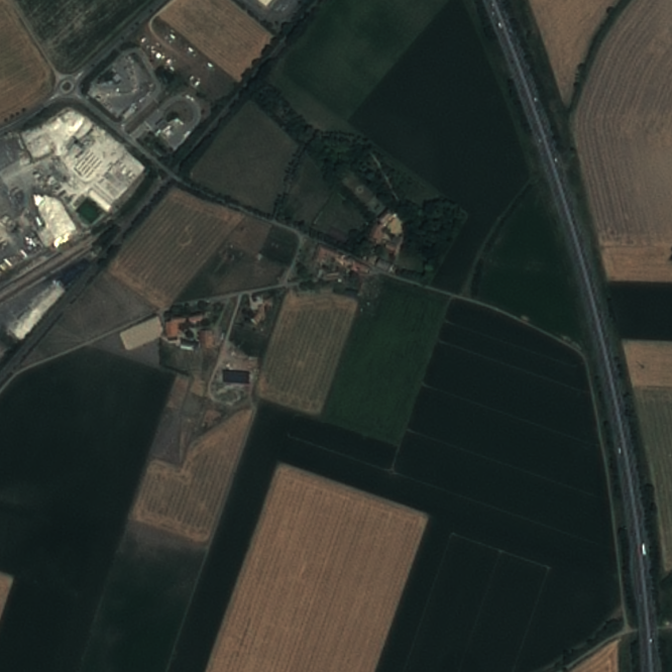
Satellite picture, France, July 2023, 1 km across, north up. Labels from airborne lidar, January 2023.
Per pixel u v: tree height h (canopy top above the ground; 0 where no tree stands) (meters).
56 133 0
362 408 0
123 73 0
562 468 0
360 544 0
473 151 0
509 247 0
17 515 0
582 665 0
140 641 0
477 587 0
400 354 0
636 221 0
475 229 0
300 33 16
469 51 0
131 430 0
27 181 0
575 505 0
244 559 0
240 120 0
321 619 0
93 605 0
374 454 0
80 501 0
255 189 0
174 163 6
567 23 0
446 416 0
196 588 0
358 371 0
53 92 0
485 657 0
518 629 0
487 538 0
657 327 0
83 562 0
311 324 0
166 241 0
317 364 0
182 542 0
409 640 0
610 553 0
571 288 0
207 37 0
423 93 0
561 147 12
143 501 0
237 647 0
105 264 11
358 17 0
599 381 7
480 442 0
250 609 0
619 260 0
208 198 9
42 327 0
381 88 0
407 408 0
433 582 0
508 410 0
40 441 0
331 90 0
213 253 0
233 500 0
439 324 0
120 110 0
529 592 0
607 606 0
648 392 0
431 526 0
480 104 0
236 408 0
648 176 0
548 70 0
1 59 0
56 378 0
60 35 0
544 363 0
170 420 0
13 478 0
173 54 0
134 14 0
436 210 21
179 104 0
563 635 0
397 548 0
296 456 0
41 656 0
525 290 0
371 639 0
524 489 0
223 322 0
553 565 0
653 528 11
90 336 0
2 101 0
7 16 0
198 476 0
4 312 0
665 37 0
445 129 0
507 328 0
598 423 0
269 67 17
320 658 0
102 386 0
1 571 0
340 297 0
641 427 0
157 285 0
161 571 0
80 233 0
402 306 0
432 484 0
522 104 12
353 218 0
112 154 0
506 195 0
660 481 0
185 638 0
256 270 0
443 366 0
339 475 0
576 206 0
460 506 0
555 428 0
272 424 0
